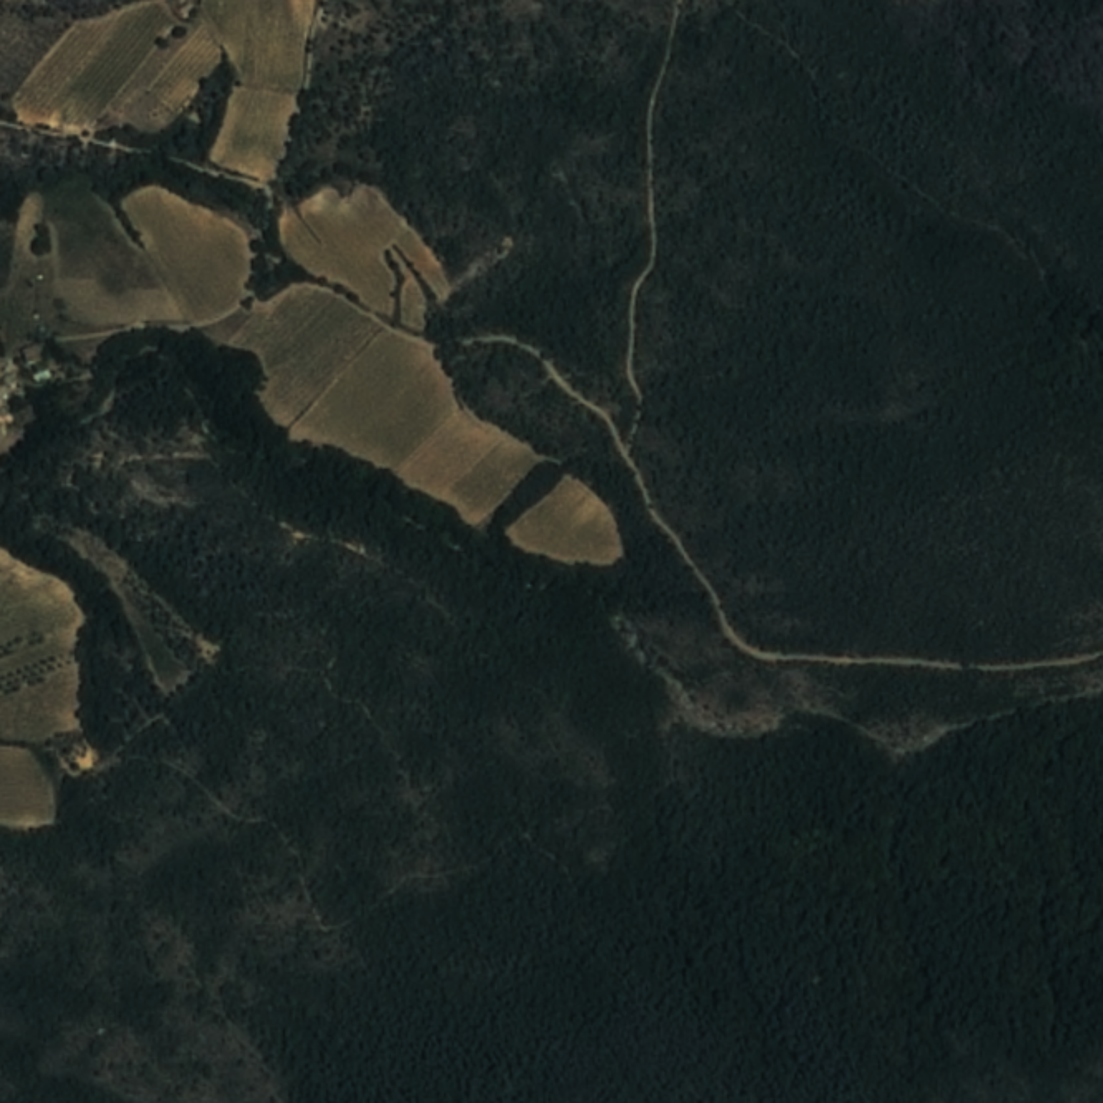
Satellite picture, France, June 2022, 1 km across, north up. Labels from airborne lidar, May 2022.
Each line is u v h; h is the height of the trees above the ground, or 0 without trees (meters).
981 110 8
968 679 6
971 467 6
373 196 0
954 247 9
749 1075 17
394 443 0
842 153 8
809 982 14
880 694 7
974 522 9
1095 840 12
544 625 11
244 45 0
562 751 7
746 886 8
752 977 17
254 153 0
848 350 9
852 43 6
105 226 0
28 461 10
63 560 8
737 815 13
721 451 5
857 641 6
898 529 8
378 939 6
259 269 12
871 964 12
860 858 13
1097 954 13
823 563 6
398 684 7
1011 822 9
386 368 0
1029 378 7
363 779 9
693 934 16
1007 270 6
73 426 9
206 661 8
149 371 9
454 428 0
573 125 8
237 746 8
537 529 0
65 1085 9
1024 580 9
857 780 8
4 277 0
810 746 9
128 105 0
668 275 8
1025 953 12
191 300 0
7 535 13
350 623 5
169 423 11
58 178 13
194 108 9
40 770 0
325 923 6
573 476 15
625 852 6
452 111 7
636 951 18
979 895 10
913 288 10
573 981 11
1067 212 7
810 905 13
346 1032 11
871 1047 13
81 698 9
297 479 15
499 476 0
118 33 0
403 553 13
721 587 6
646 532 7
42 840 9
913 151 12
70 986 9
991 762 13
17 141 6
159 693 15
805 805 7
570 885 7
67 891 6
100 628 10
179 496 0
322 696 9
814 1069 16
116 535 12
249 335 0
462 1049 15
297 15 0
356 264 0
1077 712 12
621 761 6
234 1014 9
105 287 0
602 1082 18
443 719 8
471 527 7
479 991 8
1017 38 11
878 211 8
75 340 0
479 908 9
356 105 9
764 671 5
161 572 7
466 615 8
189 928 9
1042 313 9
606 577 10
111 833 7
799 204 8
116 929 7
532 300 9
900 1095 10
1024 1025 9
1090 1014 7
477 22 8
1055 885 18
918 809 13
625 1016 18
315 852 10
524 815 8
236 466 6
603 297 8
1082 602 5
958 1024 10
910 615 10
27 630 0
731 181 10
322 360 0
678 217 7
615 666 6
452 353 8
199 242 0
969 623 6
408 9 8
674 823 10
